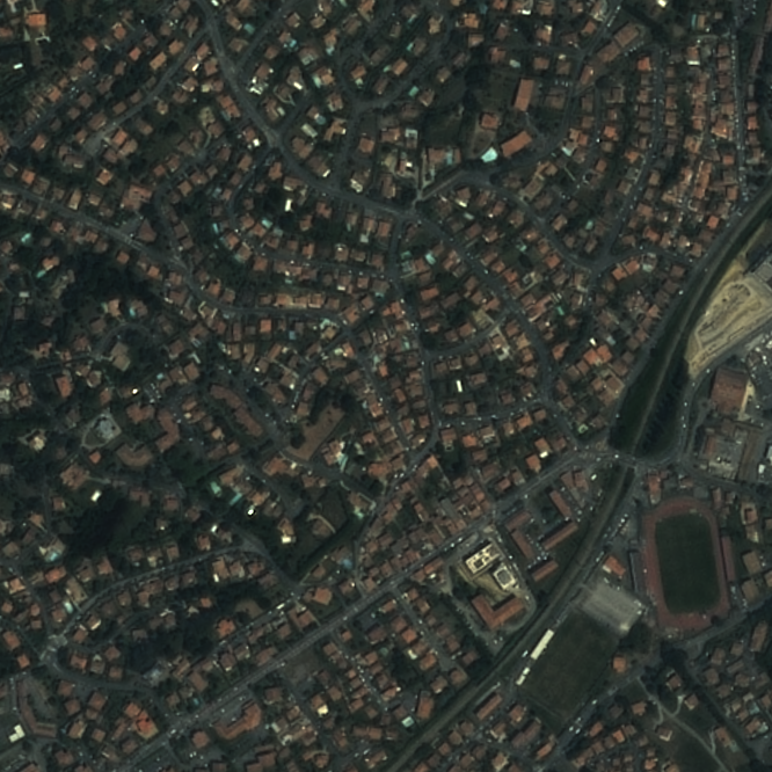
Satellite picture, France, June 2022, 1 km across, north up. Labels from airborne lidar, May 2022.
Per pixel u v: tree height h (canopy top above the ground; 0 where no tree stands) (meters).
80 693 0
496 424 13
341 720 14
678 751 0
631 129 7
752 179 6
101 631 7
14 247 7
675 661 18
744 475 0
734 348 0
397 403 8
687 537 0
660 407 0
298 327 0
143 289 18
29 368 18
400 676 7
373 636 0
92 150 0
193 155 0
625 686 0
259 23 9
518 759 6
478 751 0
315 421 7
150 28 14
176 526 17
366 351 10
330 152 11
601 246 8
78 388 12
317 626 10
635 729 8
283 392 10
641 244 9
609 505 0
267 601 7
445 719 0
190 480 23
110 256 7
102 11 7
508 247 7
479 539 0
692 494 0
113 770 5
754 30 0
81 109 7
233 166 10
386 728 5
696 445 7
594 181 0
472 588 8
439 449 11
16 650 8
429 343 14
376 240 7
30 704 7
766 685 0
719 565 0
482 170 18
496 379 15
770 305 0
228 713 0
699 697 15
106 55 7
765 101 21
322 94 5
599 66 0
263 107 6
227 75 0
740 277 0
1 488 13
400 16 5
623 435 15
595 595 0
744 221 0
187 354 6
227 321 8
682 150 7
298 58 9
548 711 0
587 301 0
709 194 8
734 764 0
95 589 10
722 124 0
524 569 0
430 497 10
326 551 12
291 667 0
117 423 0
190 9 13
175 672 0
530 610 0
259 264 0
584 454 0
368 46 10
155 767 0
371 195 12
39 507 20
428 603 6
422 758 8
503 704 0
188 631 15
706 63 8
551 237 0
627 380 0
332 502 0
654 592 0
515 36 0
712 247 0
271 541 12
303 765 7
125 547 7
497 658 6
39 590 8
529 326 0
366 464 14
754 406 0
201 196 11
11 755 0
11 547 0
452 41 7
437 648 0
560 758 0
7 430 16
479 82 15
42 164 21
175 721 0
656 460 0
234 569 0
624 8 9
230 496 0
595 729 0
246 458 8
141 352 11
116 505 22
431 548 0
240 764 0
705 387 0
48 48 13
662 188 7
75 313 10
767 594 0
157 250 8
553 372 6
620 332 6
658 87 0
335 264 6
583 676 0
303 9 0
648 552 0
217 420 14
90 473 6
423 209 11
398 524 0
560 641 0
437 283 6
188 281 0
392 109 7
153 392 0
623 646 8
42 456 18
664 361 0
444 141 0
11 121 12
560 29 10
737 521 0
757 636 0
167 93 8
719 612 0
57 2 13
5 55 16
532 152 13
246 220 0
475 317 8
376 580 9
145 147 10
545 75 12
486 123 0
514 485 7
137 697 9
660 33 17
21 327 13
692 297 0
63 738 11
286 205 0
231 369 11
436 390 10
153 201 8
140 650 17
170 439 0
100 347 9
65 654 11
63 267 7
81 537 17
